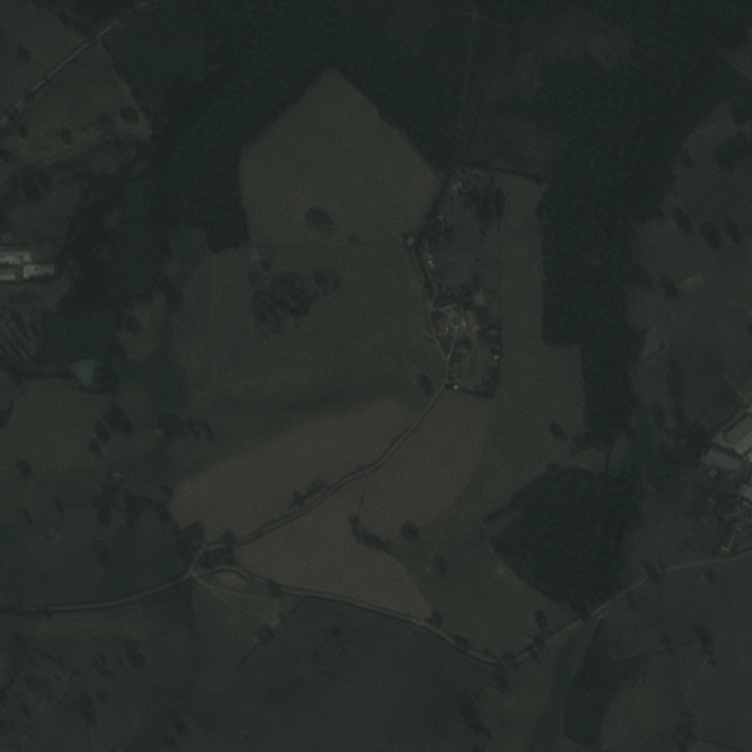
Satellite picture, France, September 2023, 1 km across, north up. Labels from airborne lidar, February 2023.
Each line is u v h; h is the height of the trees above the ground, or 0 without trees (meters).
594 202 15
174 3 8
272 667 0
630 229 24
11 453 0
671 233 0
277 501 0
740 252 0
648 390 0
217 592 0
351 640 0
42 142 0
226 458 0
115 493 17
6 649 0
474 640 0
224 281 0
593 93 16
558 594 17
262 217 0
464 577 0
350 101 0
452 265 0
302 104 0
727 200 0
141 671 0
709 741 0
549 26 0
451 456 0
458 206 0
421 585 0
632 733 0
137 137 0
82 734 0
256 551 0
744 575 0
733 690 0
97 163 0
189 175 20
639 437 0
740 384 0
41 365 7
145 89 6
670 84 19
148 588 0
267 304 7
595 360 21
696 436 13
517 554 10
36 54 0
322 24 19
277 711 0
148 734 0
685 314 0
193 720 0
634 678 0
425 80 18
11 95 0
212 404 0
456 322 0
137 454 0
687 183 0
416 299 0
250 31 21
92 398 0
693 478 0
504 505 0
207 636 0
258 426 0
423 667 0
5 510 0
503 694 0
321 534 0
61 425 0
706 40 19
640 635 0
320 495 0
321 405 0
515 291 0
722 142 0
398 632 0
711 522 0
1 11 0
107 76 0
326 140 0
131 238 8
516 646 0
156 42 7
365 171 0
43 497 0
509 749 0
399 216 0
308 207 0
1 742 0
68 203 0
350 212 0
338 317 0
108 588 0
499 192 7
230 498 0
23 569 0
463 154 0
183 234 0
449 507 0
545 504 9
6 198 0
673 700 0
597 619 0
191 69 7
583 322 23
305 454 0
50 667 0
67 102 0
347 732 0
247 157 0
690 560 0
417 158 0
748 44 0
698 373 0
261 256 0
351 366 0
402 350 0
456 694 0
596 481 13
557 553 18
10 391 0
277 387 0
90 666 0
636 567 0
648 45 16
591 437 13
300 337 0
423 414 0
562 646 0
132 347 0
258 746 0
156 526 0
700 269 0
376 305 0
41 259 0
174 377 0
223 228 16
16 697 0
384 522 0
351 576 0
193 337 0
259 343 0
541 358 0
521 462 0
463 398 0
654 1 20
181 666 0
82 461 0
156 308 0
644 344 0
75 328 7
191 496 0
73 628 0
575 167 20
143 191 6
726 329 0
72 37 0
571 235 18
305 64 11
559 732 0
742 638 0
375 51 19
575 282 16
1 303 0
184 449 0
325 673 0
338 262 0
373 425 0
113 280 7
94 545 0
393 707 0
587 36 0
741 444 0
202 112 19
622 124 14
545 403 0
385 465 0
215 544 0
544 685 0
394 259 0
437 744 0
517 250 0
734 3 17
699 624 0
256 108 19
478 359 0
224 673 0
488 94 0
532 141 0
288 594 0
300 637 0
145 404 0
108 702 0
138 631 0
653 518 0
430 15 0
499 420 0
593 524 21
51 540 0
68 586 0
